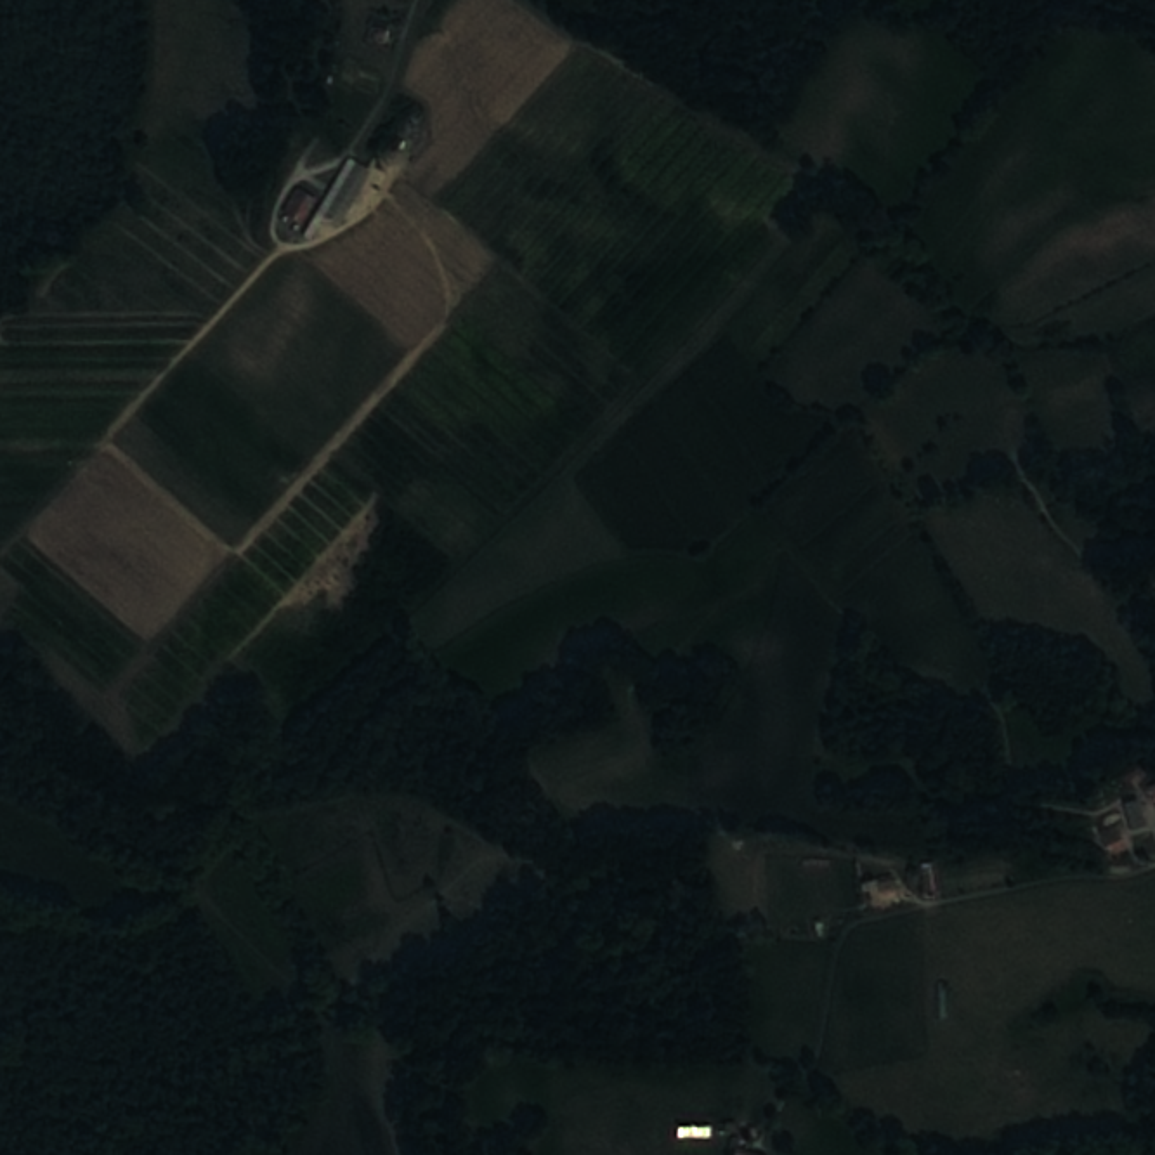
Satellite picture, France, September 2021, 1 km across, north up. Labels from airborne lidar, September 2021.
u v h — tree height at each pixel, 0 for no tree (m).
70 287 0
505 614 0
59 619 0
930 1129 0
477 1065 21
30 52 12
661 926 10
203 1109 18
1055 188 0
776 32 20
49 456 0
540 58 0
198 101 0
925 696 12
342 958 0
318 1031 17
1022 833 22
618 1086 0
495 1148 19
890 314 0
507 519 0
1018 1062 0
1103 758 25
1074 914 0
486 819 27
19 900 29
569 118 0
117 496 0
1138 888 0
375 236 0
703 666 18
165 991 17
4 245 21
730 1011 23
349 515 0
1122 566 23
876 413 0
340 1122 0
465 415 0
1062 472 8
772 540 0
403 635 23
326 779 24
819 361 0
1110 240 0
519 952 17
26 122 10
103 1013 20
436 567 6
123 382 0
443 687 21
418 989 29
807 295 0
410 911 0
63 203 8
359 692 19
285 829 0
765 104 27
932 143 0
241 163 24
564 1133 0
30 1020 17
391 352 0
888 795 16
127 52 9
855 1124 15
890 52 0
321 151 0
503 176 0
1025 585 0
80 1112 12
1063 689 27
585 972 18
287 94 6
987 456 0
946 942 0
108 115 9
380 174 0
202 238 0
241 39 0
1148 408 0
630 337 0
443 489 0
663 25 23
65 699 14
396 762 20
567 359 0
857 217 22
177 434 0
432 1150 15
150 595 0
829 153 0
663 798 0
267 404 0
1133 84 0
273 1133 10
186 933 20
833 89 0
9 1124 11
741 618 0
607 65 0
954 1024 0
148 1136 18
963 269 0
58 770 19
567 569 0
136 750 0
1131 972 0
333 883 0
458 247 0
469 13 0
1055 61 0
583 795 0
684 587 0
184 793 27
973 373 0
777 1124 8
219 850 20
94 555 0
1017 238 0
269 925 0
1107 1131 23
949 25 17
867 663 24
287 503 0
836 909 0
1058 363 0
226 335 0
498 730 24
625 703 0
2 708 18
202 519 0
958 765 21
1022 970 0
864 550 0
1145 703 0
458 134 0
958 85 0
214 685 0
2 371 0
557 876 22
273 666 0
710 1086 0
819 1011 0
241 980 14
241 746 28
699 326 0
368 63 0
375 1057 0
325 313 0
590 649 19
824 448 13
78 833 18
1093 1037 0
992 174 0
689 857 21
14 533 0
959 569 0
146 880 30
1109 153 0
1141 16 19
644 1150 0
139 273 0
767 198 0
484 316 0
